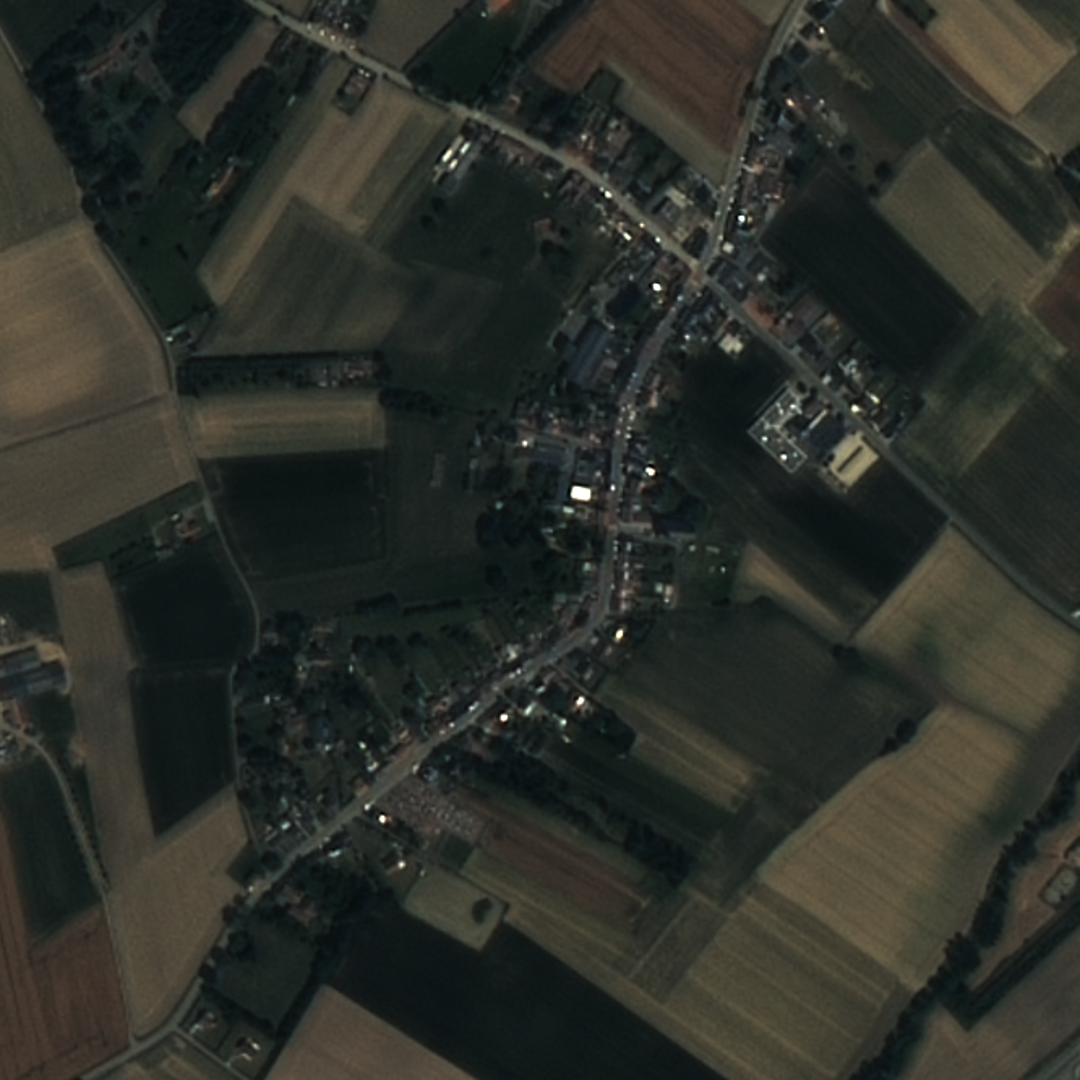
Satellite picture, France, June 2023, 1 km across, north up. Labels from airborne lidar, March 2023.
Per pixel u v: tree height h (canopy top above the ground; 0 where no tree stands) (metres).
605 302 0
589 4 0
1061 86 0
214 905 0
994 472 0
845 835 0
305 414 0
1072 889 0
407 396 7
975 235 0
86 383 0
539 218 0
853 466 0
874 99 0
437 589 0
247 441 0
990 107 0
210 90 0
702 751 0
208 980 14
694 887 0
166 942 0
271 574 0
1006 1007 0
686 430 7
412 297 0
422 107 0
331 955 13
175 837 0
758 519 0
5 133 0
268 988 0
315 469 0
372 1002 0
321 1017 0
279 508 0
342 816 0
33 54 0
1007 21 0
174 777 0
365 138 0
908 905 0
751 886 0
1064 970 0
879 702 0
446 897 0
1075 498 0
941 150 0
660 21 0
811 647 0
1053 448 0
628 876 0
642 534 0
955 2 0
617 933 0
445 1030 0
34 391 0
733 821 0
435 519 0
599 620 0
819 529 0
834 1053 0
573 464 0
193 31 16
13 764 0
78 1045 0
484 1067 0
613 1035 0
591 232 0
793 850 0
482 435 11
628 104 0
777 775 0
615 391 0
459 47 0
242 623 0
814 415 0
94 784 0
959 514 0
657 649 0
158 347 0
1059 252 0
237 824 0
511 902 0
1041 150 0
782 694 0
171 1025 0
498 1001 0
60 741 0
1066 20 0
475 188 0
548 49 0
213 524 0
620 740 11
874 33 0
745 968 0
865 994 0
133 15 0
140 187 0
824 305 0
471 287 0
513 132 0
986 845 0
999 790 0
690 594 0
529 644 0
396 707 0
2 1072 0
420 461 0
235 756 0
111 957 0
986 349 0
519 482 0
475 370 0
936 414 0
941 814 0
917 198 0
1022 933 0
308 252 0
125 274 0
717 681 0
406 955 0
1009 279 0
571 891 0
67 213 0
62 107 15
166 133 0
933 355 0
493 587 17
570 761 0
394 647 12
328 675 0
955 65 0
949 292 0
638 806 0
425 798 0
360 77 0
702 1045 0
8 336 0
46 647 0
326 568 0
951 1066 0
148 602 0
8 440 0
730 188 0
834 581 0
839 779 0
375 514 0
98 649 0
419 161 0
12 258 0
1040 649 0
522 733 9
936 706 0
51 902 0
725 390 0
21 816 0
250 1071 0
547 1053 0
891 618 0
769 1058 0
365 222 0
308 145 0
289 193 0
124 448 0
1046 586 0
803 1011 0
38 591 0
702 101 0
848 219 0
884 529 0
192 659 0
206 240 0
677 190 0
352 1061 0
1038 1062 0
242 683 11
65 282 0
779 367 0
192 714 0
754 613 0
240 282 0
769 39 0
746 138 0
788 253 0
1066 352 0
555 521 14
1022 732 0
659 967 0
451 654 0
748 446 0
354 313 0
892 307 0
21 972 0
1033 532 0
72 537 0
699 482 0
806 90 0
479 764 14
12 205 0
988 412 0
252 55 0
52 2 0
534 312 0
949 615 0
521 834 0
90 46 12
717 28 0
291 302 0
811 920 0
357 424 0
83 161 7
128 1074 0
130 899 0
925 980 0
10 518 0
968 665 0
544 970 0
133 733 0
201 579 0
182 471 0
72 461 0
